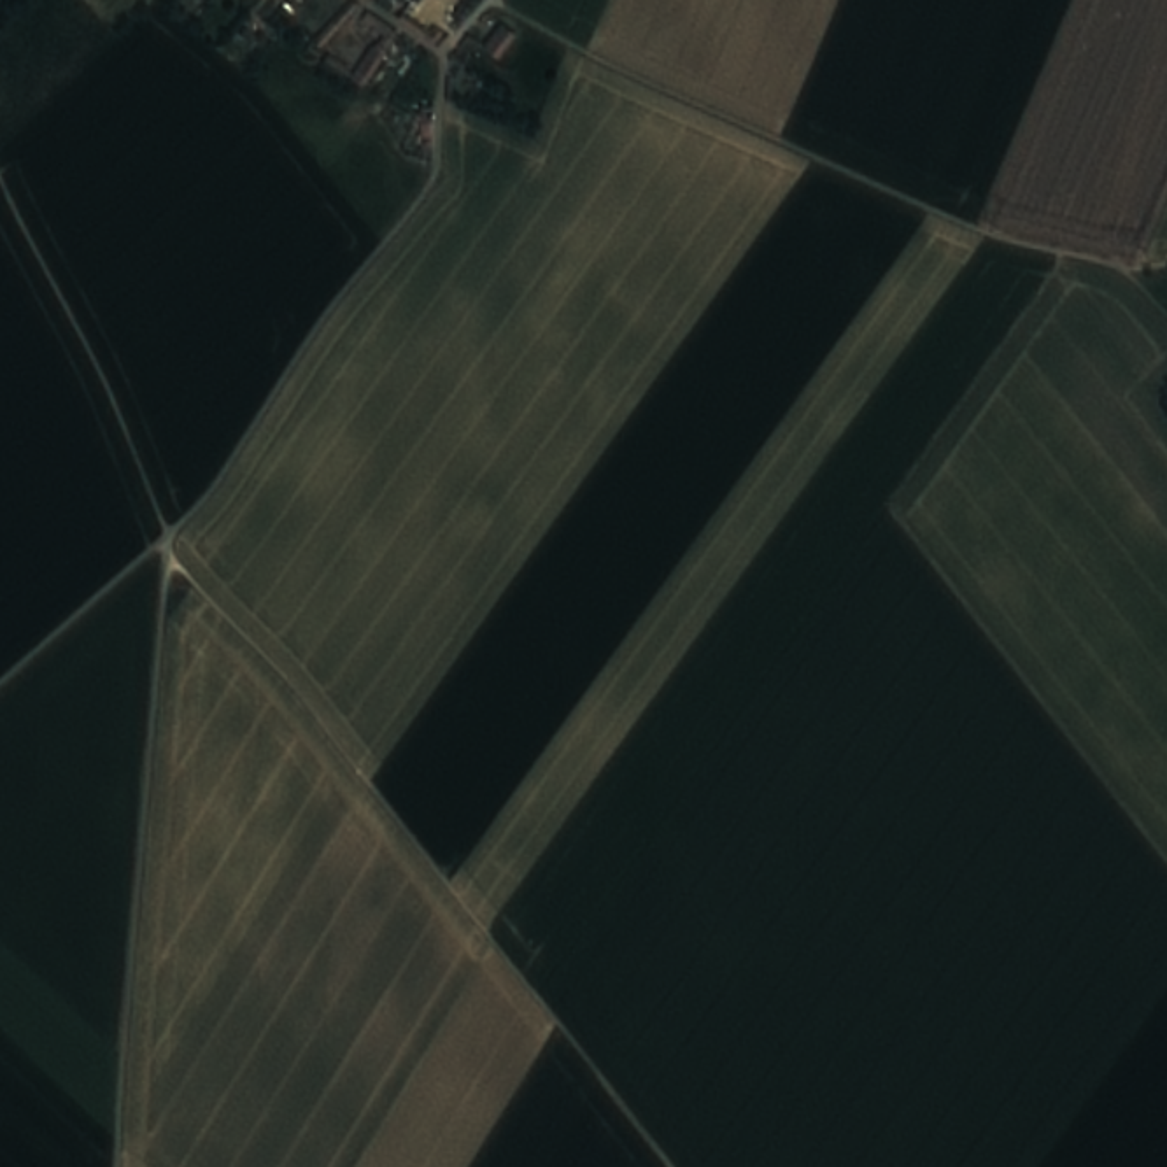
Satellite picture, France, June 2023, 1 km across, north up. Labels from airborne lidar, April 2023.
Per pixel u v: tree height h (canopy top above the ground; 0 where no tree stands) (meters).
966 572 0
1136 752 0
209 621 0
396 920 0
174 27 0
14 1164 0
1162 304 0
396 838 0
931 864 0
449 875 0
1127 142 0
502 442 0
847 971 0
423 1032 0
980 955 0
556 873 0
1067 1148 0
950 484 0
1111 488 0
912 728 0
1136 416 0
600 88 0
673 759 0
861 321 0
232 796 0
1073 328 0
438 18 0
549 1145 0
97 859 0
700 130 0
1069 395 0
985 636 0
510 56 0
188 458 0
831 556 0
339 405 0
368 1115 0
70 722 0
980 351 0
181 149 0
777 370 0
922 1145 0
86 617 0
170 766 0
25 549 0
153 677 0
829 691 0
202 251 0
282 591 0
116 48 0
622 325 0
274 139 0
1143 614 0
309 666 0
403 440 0
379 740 0
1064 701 0
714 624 0
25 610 0
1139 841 0
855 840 0
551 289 0
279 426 0
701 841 0
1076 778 0
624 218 0
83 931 0
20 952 0
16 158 0
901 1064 0
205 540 0
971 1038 0
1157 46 0
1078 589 0
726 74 0
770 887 0
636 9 0
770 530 0
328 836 0
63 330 0
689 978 0
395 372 0
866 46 0
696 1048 0
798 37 0
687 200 0
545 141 0
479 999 0
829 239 0
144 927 0
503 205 0
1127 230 0
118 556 0
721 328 0
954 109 0
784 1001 0
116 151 0
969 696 0
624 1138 0
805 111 0
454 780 0
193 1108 0
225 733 0
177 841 0
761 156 0
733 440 0
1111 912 0
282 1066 0
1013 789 0
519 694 0
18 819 0
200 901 0
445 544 0
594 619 0
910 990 0
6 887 0
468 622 0
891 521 0
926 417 0
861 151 0
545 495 0
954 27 0
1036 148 0
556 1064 0
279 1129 0
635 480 0
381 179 0
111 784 0
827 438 0
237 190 0
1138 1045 0
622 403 0
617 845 0
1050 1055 0
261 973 0
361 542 0
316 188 0
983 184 0
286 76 0
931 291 0
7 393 0
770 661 0
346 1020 0
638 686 0
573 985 0
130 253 0
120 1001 0
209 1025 0
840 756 0
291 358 0
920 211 0
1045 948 0
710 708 0
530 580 0
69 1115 0
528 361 0
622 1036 0
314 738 0
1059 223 0
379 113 0
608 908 0
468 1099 0
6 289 0
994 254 0
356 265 0
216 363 0
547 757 0
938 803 0
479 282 0
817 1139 0
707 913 0
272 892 0
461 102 10
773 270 0
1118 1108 0
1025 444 0
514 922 0
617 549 0
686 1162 0
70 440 0
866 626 0
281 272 0
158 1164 0
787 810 0
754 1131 0
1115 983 0
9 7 22
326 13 0
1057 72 0
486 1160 0
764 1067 0
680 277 0
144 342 0
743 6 0
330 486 0
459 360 0
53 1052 0
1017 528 0
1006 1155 0
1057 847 0
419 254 0
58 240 0
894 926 0
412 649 0
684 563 0
